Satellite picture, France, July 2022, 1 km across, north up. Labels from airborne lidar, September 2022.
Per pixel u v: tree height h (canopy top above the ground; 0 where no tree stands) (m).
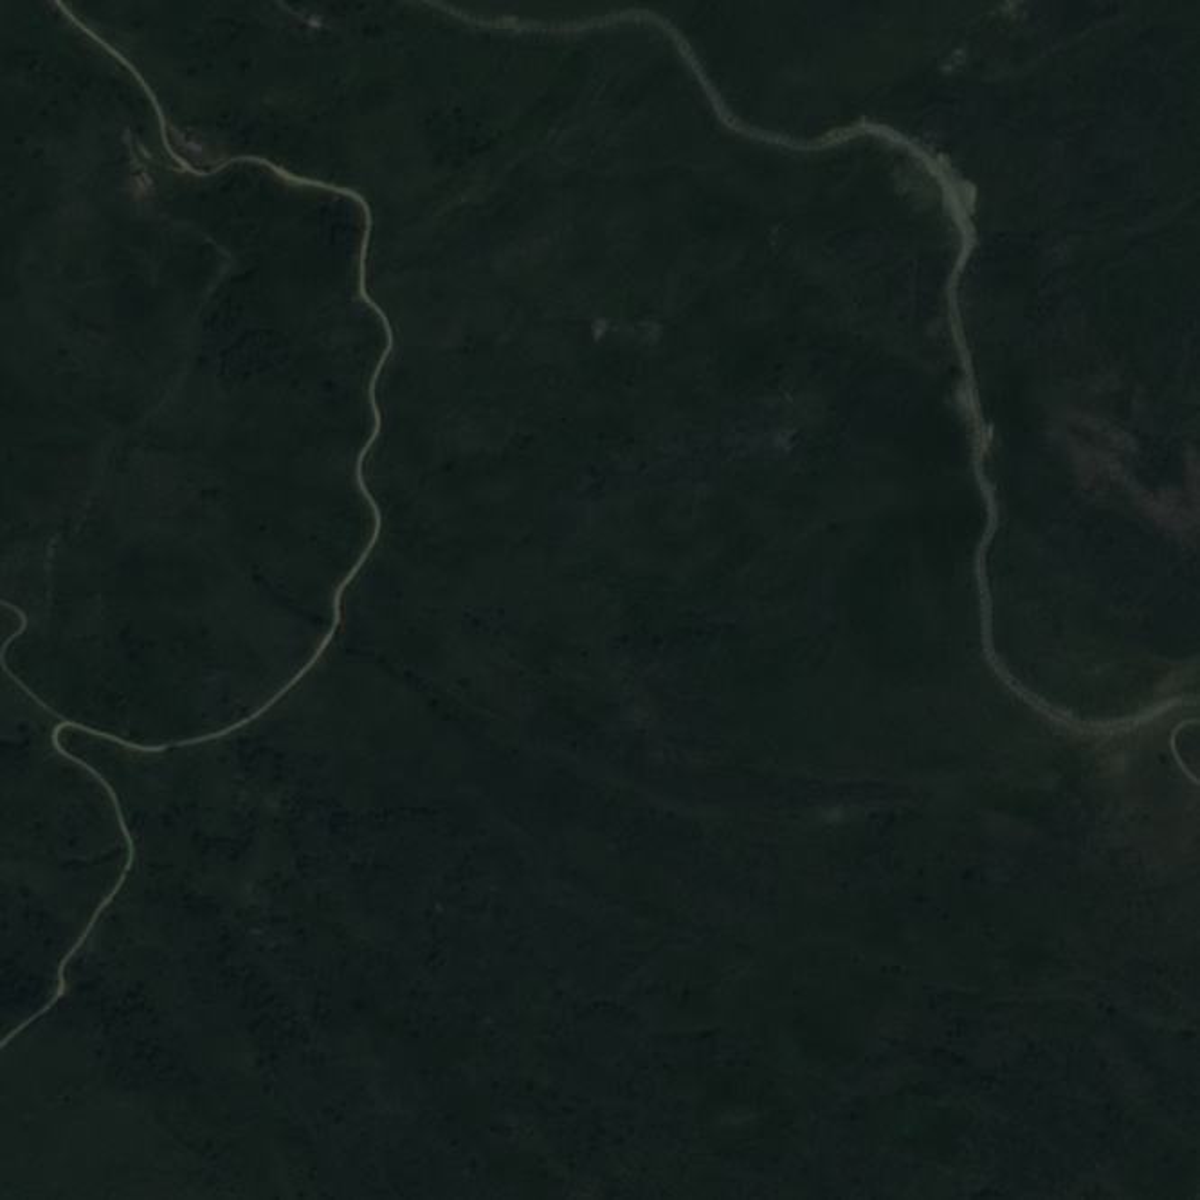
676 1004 0
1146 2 0
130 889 0
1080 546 0
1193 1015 0
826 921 0
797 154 0
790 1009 0
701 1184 0
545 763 0
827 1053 0
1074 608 0
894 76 0
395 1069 0
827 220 0
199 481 0
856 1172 0
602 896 0
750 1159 0
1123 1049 0
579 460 0
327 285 0
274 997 6
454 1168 0
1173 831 0
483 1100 0
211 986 0
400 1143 0
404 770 0
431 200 0
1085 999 0
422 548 0
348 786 0
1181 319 0
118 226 0
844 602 0
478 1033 0
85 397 0
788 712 0
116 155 0
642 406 0
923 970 0
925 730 0
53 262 0
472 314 0
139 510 0
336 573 0
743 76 0
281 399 0
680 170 0
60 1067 0
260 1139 0
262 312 0
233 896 0
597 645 0
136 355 0
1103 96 0
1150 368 0
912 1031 0
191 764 0
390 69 0
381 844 0
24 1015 10
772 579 0
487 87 0
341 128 0
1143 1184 0
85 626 0
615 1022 0
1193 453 0
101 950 0
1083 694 0
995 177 0
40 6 0
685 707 0
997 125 0
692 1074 0
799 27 0
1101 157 0
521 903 0
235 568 0
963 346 0
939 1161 0
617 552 0
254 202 0
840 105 0
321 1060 6
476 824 0
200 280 0
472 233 0
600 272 0
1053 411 0
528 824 0
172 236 0
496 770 0
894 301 0
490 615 0
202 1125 0
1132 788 0
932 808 0
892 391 0
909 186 0
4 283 0
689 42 0
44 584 0
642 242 0
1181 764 0
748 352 0
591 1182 0
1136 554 0
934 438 0
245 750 11
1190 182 0
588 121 0
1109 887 0
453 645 0
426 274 0
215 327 7
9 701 0
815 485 0
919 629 0
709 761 0
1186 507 0
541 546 0
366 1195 0
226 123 7
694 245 0
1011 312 0
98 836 0
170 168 0
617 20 0
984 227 0
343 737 0
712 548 0
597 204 0
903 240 0
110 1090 0
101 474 0
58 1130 0
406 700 0
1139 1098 0
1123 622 0
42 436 0
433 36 0
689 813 0
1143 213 0
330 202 7
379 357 0
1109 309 0
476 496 0
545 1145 0
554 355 0
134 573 0
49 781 0
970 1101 0
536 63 0
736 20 0
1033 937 0
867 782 0
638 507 0
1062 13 0
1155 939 0
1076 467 0
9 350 0
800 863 0
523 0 0
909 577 0
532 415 0
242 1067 0
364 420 0
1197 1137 0
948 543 0
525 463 0
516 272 0
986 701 0
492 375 0
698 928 0
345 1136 0
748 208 0
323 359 0
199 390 0
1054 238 0
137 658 8
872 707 0
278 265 0
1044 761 0
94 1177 0
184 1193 0
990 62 0
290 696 0
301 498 0
